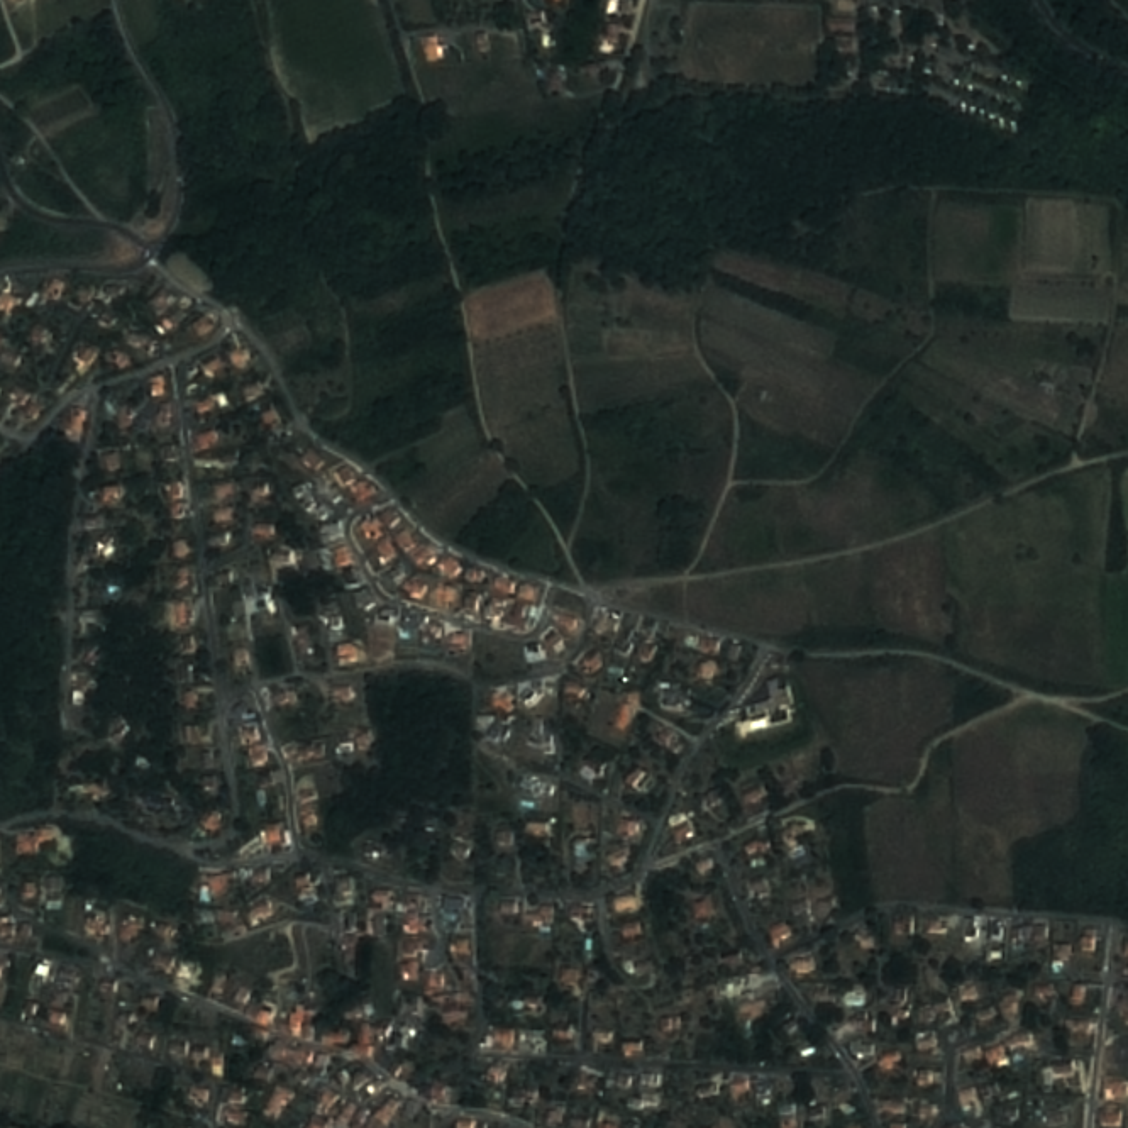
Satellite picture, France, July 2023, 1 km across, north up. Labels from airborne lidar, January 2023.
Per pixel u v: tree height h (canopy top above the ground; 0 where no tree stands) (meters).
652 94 6
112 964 0
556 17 12
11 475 14
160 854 6
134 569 8
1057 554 0
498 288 0
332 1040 0
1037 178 7
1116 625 0
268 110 14
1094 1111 0
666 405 8
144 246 0
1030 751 0
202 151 8
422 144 15
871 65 13
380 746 7
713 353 0
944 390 0
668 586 0
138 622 10
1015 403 0
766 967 10
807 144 13
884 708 0
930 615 0
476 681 0
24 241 7
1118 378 0
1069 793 0
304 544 11
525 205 0
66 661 0
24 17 0
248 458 11
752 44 0
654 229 10
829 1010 12
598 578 0
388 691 11
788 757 0
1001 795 0
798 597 0
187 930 7
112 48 13
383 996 0
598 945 9
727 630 0
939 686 0
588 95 0
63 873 6
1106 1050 0
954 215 0
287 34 0
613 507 0
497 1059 0
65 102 0
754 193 13
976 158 12
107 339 6
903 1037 10
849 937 10
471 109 0
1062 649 0
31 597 9
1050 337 0
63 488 15
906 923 0
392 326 8
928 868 0
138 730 12
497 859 9
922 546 0
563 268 10
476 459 0
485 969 8
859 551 0
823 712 0
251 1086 6
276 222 18
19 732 9
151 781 10
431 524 0
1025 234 0
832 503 0
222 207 10
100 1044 0
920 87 10
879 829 0
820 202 11
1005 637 0
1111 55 7
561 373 0
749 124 13
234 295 9
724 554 0
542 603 0
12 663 10
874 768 0
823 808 5
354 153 20
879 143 12
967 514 0
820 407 0
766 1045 10
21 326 10
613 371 0
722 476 0
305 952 0
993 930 0
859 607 0
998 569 0
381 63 0
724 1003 7
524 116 0
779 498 0
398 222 6
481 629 0
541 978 10
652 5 0
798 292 0
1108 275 0
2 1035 0
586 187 10
